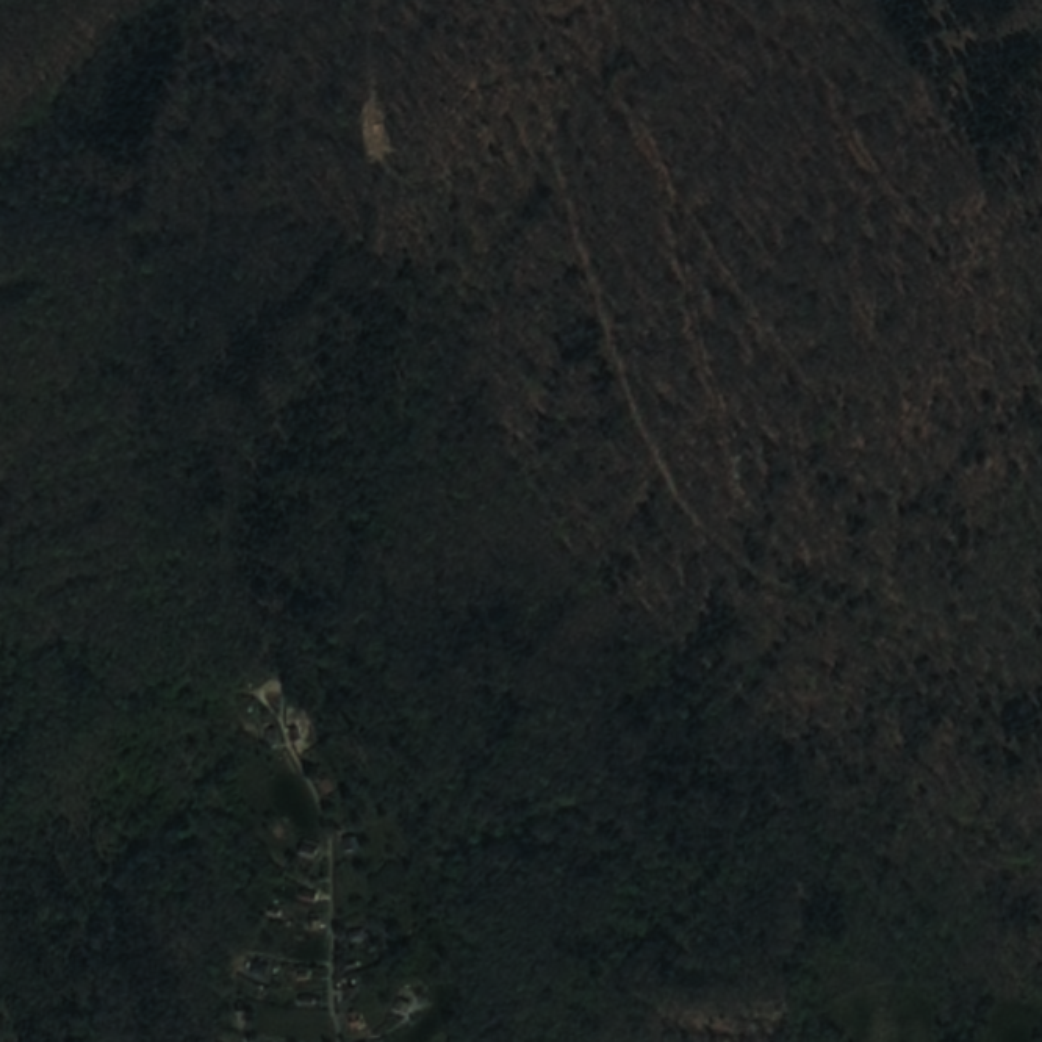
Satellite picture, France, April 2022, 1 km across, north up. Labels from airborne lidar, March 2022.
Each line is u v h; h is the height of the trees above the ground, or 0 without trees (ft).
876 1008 0
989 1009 79
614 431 84
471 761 109
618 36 27
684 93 93
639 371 76
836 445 89
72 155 84
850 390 72
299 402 28
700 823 86
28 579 74
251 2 98
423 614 74
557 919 88
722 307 83
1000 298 80
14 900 68
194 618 74
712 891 74
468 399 61
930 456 67
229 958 64
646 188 83
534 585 91
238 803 56
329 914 0
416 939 25
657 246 75
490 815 89
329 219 93
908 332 57
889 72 73
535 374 95
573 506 98
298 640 93
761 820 81
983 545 90
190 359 74
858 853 72
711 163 76
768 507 78
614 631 103
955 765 97
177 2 62
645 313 82
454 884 65
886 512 91
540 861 108
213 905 68
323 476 92
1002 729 84
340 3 89
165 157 91
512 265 94
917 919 83
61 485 90
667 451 73
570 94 105
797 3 68
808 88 64
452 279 62
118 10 84
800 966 74
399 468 85
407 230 100
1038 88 56
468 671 103
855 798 81
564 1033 78
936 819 81
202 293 71
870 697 100
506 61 79
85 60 85
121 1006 89
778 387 72
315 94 76
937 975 83
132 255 70
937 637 57
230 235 76
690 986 86
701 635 93
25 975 73
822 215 84
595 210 69
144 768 34
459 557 90
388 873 33
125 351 65
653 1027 67
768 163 90
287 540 87
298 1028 0
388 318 99
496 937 92
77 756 67
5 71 85
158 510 71
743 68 82
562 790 101
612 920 75
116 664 82
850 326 68
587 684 102
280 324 83
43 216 93
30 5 88
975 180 71
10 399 73
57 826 67
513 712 83
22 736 61
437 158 74
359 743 82
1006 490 19
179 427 69
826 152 88
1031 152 64
